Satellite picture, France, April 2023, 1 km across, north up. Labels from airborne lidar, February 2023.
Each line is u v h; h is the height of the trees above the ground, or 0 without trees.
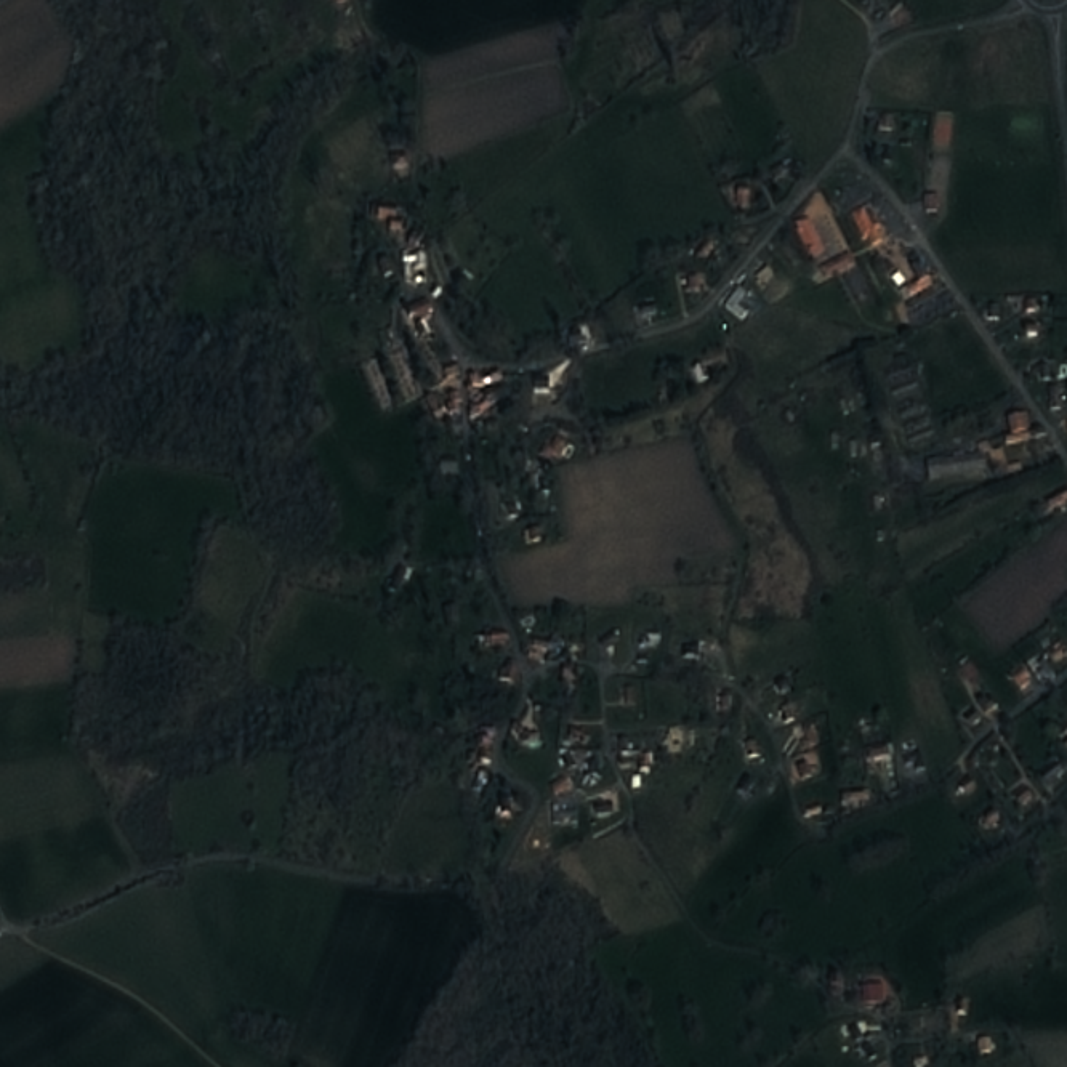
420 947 0
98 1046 0
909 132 7
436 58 0
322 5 0
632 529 0
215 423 21
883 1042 0
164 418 23
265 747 14
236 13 0
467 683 7
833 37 0
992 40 0
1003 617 0
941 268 0
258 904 0
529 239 0
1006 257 0
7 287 0
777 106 0
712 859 0
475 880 16
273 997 0
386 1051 0
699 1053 0
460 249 0
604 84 0
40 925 10
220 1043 0
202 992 0
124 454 8
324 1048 0
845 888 0
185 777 7
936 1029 0
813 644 0
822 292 0
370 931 0
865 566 0
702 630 0
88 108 6
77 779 0
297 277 29
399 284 7
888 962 0
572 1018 14
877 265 10
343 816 10
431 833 0
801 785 0
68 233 12
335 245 0
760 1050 0
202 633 13
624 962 0
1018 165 0
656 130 0
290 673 0
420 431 17
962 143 0
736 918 0
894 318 0
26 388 5
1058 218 0
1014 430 0
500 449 10
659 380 7
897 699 0
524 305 0
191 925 0
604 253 0
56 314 0
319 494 21
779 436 0
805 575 0
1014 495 0
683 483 0
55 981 0
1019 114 0
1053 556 0
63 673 0
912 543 0
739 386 0
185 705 24
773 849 0
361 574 11
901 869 0
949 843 0
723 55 0
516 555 0
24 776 0
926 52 0
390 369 13
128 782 0
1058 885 0
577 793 0
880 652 0
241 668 12
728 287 0
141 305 27
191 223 17
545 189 0
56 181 16
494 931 16
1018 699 0
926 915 0
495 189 0
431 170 8
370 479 0
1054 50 0
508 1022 13
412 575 0
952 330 0
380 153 0
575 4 0
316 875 0
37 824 0
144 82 15
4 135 0
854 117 0
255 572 0
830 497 0
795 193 0
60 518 0
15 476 0
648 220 0
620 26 0
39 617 0
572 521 0
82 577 0
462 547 0
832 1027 0
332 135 0
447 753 9
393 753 12
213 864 0
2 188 0
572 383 8
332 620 0
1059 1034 0
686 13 11
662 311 0
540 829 0
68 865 0
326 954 0
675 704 0
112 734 10
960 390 0
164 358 14
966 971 0
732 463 0
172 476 0
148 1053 0
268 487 16
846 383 0
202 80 0
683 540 0
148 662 21
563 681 8
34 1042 0
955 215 0
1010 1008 0
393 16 0
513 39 0
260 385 18
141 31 17
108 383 20
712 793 0
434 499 11
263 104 0
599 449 6
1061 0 0
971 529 0
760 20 8
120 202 7
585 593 0
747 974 0
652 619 0
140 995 0
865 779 6
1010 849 10
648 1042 18
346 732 14
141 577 0
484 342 12
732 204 10
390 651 0
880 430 10
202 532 8
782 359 0
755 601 0
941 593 0
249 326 24
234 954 0
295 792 7
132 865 0
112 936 0
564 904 20
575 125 7
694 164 0
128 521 0
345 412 0
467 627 0
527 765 0
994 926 0
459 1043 7
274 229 28
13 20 0
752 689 9
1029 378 6
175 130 0
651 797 0
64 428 10
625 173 0
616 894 0
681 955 0
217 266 0
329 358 0
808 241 0
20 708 0
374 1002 0
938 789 14
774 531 0
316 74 12
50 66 0
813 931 0
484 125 0
